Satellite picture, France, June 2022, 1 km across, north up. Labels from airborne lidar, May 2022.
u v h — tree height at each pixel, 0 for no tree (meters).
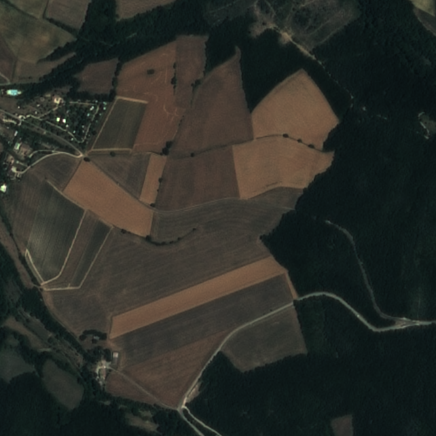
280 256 13
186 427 13
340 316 9
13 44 0
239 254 0
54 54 14
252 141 0
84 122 8
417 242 9
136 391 0
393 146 10
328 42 7
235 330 0
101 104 6
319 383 6
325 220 12
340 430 0
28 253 0
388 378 6
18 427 7
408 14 8
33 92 8
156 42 10
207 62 10
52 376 0
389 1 12
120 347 0
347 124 9
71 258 0
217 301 0
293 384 7
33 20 0
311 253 8
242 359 0
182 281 0
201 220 0
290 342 0
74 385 0
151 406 6
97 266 0
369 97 11
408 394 11
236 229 0
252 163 0
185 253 0
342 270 10
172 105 0
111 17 13
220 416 6
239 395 9
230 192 0
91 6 15
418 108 18
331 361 12
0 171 7
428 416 12
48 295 0
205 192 0
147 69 0
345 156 16
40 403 10
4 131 0
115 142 0
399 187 9
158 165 0
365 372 9
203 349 0
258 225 0
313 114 0
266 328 0
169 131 0
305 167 0
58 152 0
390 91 14
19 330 0
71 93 11
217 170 0
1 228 0
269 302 0
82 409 9
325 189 17
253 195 0
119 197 0
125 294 0
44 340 0
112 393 0
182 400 0
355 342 7
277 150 0
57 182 0
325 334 8
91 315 0
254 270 0
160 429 14
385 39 23
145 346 0
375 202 13
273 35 10
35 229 0
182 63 0
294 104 0
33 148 10
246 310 0
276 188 0
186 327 0
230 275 0
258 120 0
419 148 10
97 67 0
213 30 11
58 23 11
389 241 13
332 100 6
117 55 10
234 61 0
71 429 6
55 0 0
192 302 0
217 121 0
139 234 0
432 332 12
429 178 8
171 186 0
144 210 0
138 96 0
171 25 6
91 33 16
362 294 7
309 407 7
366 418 11
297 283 8
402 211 9
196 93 0
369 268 11
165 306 0
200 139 0
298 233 12
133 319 0
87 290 0
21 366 0
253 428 6
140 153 0
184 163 0
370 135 8
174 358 0
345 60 8
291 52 8
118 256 0
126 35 6
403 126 12
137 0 0
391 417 10
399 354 8
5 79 0
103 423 7
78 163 0
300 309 7
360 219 13
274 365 7
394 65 21
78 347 8
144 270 0
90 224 0
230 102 0
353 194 17
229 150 0
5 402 11
